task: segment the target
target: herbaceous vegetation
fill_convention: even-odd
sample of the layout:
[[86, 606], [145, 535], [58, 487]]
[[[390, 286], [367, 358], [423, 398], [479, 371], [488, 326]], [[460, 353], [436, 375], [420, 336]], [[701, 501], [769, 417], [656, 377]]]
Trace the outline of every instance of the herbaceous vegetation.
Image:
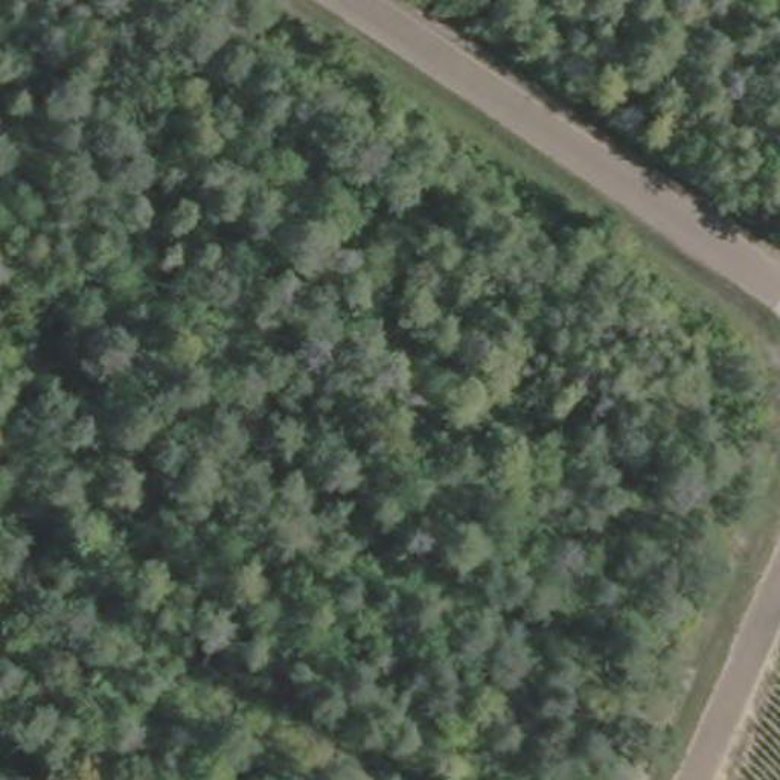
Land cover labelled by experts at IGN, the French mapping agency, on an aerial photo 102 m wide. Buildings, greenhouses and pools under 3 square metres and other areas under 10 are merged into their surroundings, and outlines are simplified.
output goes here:
[[686, 756], [692, 728], [725, 664], [728, 643], [737, 631], [750, 591], [780, 530], [780, 317], [731, 280], [725, 280], [722, 274], [710, 271], [689, 253], [683, 253], [643, 219], [609, 204], [585, 180], [555, 165], [548, 155], [506, 131], [491, 116], [484, 116], [478, 107], [457, 98], [408, 61], [402, 61], [399, 55], [393, 55], [390, 49], [384, 49], [381, 43], [363, 37], [356, 27], [347, 27], [335, 12], [323, 9], [314, 0], [250, 0], [250, 30], [256, 34], [265, 30], [268, 40], [289, 34], [296, 64], [305, 70], [314, 64], [314, 58], [329, 55], [344, 40], [356, 58], [360, 73], [372, 73], [381, 85], [390, 73], [399, 73], [411, 88], [411, 113], [390, 113], [387, 131], [393, 143], [405, 143], [405, 137], [424, 137], [430, 168], [439, 171], [448, 165], [466, 165], [475, 177], [475, 186], [481, 192], [494, 189], [503, 198], [503, 204], [518, 198], [515, 183], [530, 180], [561, 195], [567, 207], [576, 213], [603, 213], [603, 222], [597, 229], [582, 229], [576, 241], [576, 247], [600, 265], [603, 277], [609, 283], [622, 280], [625, 286], [649, 289], [661, 311], [661, 329], [683, 326], [689, 335], [698, 335], [698, 350], [722, 347], [746, 356], [743, 372], [750, 375], [750, 384], [740, 390], [740, 396], [753, 402], [753, 414], [762, 424], [762, 469], [756, 472], [756, 484], [750, 484], [750, 491], [740, 497], [746, 509], [734, 524], [710, 527], [716, 548], [704, 561], [707, 588], [698, 597], [658, 612], [667, 631], [664, 640], [649, 652], [646, 664], [649, 673], [661, 676], [667, 689], [667, 704], [655, 716], [646, 716], [640, 731], [628, 734], [619, 753], [600, 753], [600, 774], [591, 777], [588, 768], [582, 768], [579, 780], [670, 780]]

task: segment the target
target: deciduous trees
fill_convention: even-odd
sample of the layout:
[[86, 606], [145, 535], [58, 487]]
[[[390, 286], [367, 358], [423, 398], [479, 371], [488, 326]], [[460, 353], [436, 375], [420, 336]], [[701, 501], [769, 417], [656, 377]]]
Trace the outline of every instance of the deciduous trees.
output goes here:
[[457, 573], [439, 551], [411, 551], [411, 545], [405, 545], [390, 530], [396, 521], [405, 518], [405, 512], [424, 509], [436, 494], [433, 466], [427, 451], [414, 442], [411, 430], [399, 430], [393, 420], [369, 420], [366, 396], [347, 396], [338, 390], [332, 408], [320, 408], [320, 396], [311, 390], [311, 378], [293, 366], [289, 356], [274, 350], [262, 350], [259, 356], [253, 356], [247, 369], [210, 375], [204, 369], [201, 353], [219, 356], [229, 347], [225, 329], [235, 326], [232, 317], [207, 308], [210, 280], [216, 280], [216, 274], [222, 271], [232, 271], [241, 280], [241, 286], [253, 280], [259, 256], [247, 244], [222, 247], [219, 262], [210, 268], [198, 259], [192, 271], [177, 277], [174, 299], [168, 308], [155, 299], [152, 280], [131, 259], [131, 247], [122, 250], [110, 265], [91, 256], [91, 262], [79, 265], [73, 250], [73, 229], [61, 229], [61, 219], [52, 222], [43, 213], [40, 195], [49, 189], [49, 174], [34, 174], [15, 161], [12, 171], [0, 174], [0, 259], [9, 268], [6, 286], [15, 293], [12, 305], [24, 332], [37, 329], [37, 317], [46, 302], [64, 311], [70, 320], [79, 314], [85, 326], [98, 323], [110, 305], [119, 305], [122, 299], [131, 305], [134, 317], [168, 320], [177, 332], [177, 347], [183, 350], [189, 366], [192, 402], [244, 402], [247, 408], [253, 408], [241, 420], [241, 430], [250, 436], [250, 457], [265, 460], [271, 466], [271, 484], [286, 484], [293, 472], [302, 472], [305, 488], [314, 497], [314, 515], [332, 512], [338, 503], [350, 503], [353, 512], [347, 518], [347, 533], [353, 533], [369, 548], [372, 558], [378, 558], [384, 573], [424, 573], [433, 585], [442, 588], [445, 597], [475, 597], [488, 606], [491, 564], [481, 561], [472, 573]]
[[488, 0], [405, 0], [408, 6], [420, 9], [430, 21], [445, 24], [451, 15], [484, 6]]
[[79, 551], [110, 551], [116, 564], [128, 567], [134, 561], [165, 564], [171, 582], [189, 585], [195, 594], [189, 619], [192, 625], [204, 619], [204, 603], [213, 603], [219, 609], [235, 594], [241, 573], [256, 561], [250, 551], [238, 558], [225, 555], [229, 533], [219, 524], [207, 530], [204, 524], [198, 524], [192, 530], [183, 524], [165, 524], [143, 500], [137, 509], [104, 506], [104, 494], [85, 484], [88, 509], [101, 515], [101, 521], [91, 533], [79, 539]]
[[274, 149], [271, 125], [256, 125], [253, 119], [241, 116], [235, 137], [222, 143], [219, 152], [204, 155], [210, 171], [216, 171], [219, 165], [232, 165], [244, 174], [253, 174], [247, 192], [283, 192], [286, 183], [305, 177], [302, 155]]
[[393, 640], [384, 631], [384, 619], [375, 606], [366, 603], [360, 591], [347, 585], [341, 573], [326, 576], [326, 570], [314, 564], [305, 551], [296, 551], [293, 558], [268, 558], [262, 564], [265, 594], [280, 606], [280, 615], [274, 622], [277, 643], [271, 649], [271, 658], [286, 661], [296, 670], [296, 683], [314, 683], [329, 695], [335, 683], [344, 692], [356, 692], [360, 673], [341, 664], [347, 658], [344, 631], [356, 628], [360, 634], [369, 634], [375, 643], [375, 655], [393, 655]]
[[381, 85], [381, 101], [390, 113], [411, 113], [411, 88], [399, 73], [390, 73]]
[[143, 110], [186, 107], [186, 85], [201, 79], [198, 70], [171, 76], [107, 58], [107, 67], [101, 70], [101, 79], [91, 91], [88, 116], [113, 122], [116, 131], [134, 125], [137, 113]]
[[21, 27], [21, 18], [34, 0], [0, 0], [0, 61], [6, 52], [12, 52], [6, 34]]
[[366, 219], [356, 207], [356, 198], [344, 192], [329, 201], [323, 222], [335, 222], [338, 238], [347, 241], [366, 225]]
[[177, 774], [149, 765], [137, 746], [143, 740], [143, 719], [149, 716], [152, 704], [140, 695], [137, 704], [131, 704], [125, 692], [116, 689], [107, 676], [94, 676], [94, 649], [88, 640], [67, 634], [55, 643], [40, 646], [40, 628], [27, 615], [15, 615], [0, 628], [0, 679], [15, 664], [18, 670], [24, 670], [15, 686], [15, 698], [34, 698], [37, 692], [61, 689], [76, 704], [70, 719], [79, 725], [79, 737], [73, 740], [73, 750], [64, 759], [64, 765], [49, 765], [46, 780], [235, 780], [238, 768], [216, 753], [198, 756], [195, 762], [180, 756]]
[[555, 0], [548, 6], [536, 3], [527, 21], [521, 21], [515, 9], [509, 9], [509, 15], [503, 18], [506, 27], [515, 30], [521, 61], [545, 58], [539, 52], [539, 40], [555, 27], [551, 18], [564, 15], [561, 0]]
[[356, 58], [344, 40], [329, 55], [314, 58], [314, 64], [305, 70], [296, 64], [289, 34], [268, 40], [265, 30], [256, 34], [256, 40], [268, 49], [274, 79], [280, 85], [302, 85], [305, 98], [314, 98], [317, 91], [326, 91], [360, 73]]
[[719, 198], [722, 213], [750, 207], [780, 207], [780, 149], [759, 149], [759, 171], [746, 180], [725, 180]]

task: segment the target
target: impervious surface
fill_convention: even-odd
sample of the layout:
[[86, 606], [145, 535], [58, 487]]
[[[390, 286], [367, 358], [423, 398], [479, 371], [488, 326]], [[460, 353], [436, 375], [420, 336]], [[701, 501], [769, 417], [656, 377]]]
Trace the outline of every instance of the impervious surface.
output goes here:
[[728, 643], [725, 664], [692, 728], [686, 756], [670, 780], [728, 780], [734, 746], [740, 743], [746, 725], [756, 722], [756, 713], [768, 704], [765, 679], [774, 673], [780, 661], [780, 530], [750, 591], [737, 631]]
[[356, 27], [363, 37], [381, 43], [384, 49], [390, 49], [393, 55], [399, 55], [402, 61], [408, 61], [457, 98], [478, 107], [484, 116], [491, 116], [506, 131], [548, 155], [555, 165], [585, 180], [609, 204], [643, 219], [683, 253], [689, 253], [710, 271], [722, 274], [725, 280], [731, 280], [780, 317], [780, 250], [746, 235], [719, 235], [707, 229], [701, 222], [695, 201], [686, 192], [652, 186], [643, 168], [615, 155], [609, 143], [594, 137], [591, 128], [573, 122], [567, 113], [545, 107], [542, 98], [536, 98], [515, 76], [500, 73], [488, 61], [481, 61], [469, 43], [463, 43], [445, 24], [430, 21], [420, 9], [408, 6], [405, 0], [314, 0], [323, 9], [335, 12], [347, 27]]

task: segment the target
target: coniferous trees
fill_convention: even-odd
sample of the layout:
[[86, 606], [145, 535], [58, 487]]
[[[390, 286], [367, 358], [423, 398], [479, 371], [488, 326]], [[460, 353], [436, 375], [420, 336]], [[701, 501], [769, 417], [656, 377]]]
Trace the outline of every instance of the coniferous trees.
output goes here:
[[[152, 280], [155, 299], [168, 308], [174, 299], [177, 277], [192, 271], [198, 259], [210, 268], [219, 262], [222, 247], [247, 244], [259, 256], [253, 280], [241, 286], [241, 280], [232, 271], [222, 271], [216, 274], [216, 280], [210, 280], [207, 308], [232, 317], [235, 326], [225, 329], [229, 347], [219, 356], [201, 353], [204, 369], [210, 375], [247, 369], [253, 356], [259, 356], [262, 350], [274, 350], [289, 356], [293, 366], [311, 378], [311, 390], [320, 396], [320, 408], [332, 408], [338, 390], [347, 396], [366, 396], [369, 420], [393, 420], [399, 430], [411, 430], [414, 442], [427, 451], [433, 466], [436, 494], [424, 509], [405, 512], [405, 518], [396, 521], [390, 530], [405, 545], [411, 545], [411, 551], [439, 551], [457, 573], [472, 573], [481, 561], [491, 564], [488, 606], [475, 597], [445, 597], [442, 588], [433, 585], [424, 573], [384, 573], [378, 558], [372, 558], [369, 548], [353, 533], [347, 533], [347, 518], [353, 512], [350, 503], [338, 503], [332, 512], [314, 515], [314, 497], [305, 488], [302, 472], [293, 472], [286, 484], [271, 484], [271, 466], [265, 460], [250, 457], [250, 436], [241, 430], [241, 420], [253, 408], [247, 408], [244, 402], [192, 402], [189, 366], [183, 350], [177, 347], [177, 332], [168, 320], [134, 317], [131, 305], [122, 299], [119, 305], [110, 305], [98, 323], [85, 326], [79, 314], [70, 320], [64, 311], [46, 302], [37, 317], [37, 329], [24, 332], [12, 305], [15, 293], [6, 286], [9, 268], [0, 259], [0, 628], [15, 615], [27, 615], [40, 628], [40, 646], [55, 643], [67, 634], [88, 640], [94, 649], [94, 676], [107, 676], [116, 689], [125, 692], [131, 704], [137, 704], [140, 695], [152, 704], [149, 716], [143, 719], [143, 740], [137, 746], [149, 765], [177, 774], [180, 756], [195, 762], [198, 756], [216, 753], [238, 768], [235, 780], [579, 780], [582, 768], [588, 768], [591, 777], [600, 774], [600, 753], [619, 753], [628, 734], [640, 731], [646, 716], [655, 716], [667, 704], [667, 689], [661, 676], [649, 673], [646, 664], [649, 652], [664, 640], [667, 631], [658, 612], [698, 597], [707, 588], [704, 561], [716, 548], [710, 527], [734, 524], [746, 509], [740, 497], [750, 491], [750, 484], [756, 484], [756, 472], [762, 469], [762, 424], [753, 414], [753, 402], [740, 396], [740, 390], [750, 384], [750, 375], [743, 372], [746, 356], [722, 347], [698, 350], [698, 335], [689, 335], [683, 326], [661, 329], [661, 311], [649, 289], [625, 286], [622, 280], [609, 283], [603, 277], [600, 265], [576, 247], [576, 241], [582, 229], [597, 229], [603, 222], [603, 213], [576, 213], [567, 207], [561, 195], [530, 180], [515, 183], [518, 198], [503, 204], [503, 198], [494, 189], [481, 192], [475, 186], [475, 177], [466, 165], [448, 165], [439, 171], [430, 168], [424, 137], [405, 137], [405, 143], [393, 143], [387, 131], [390, 113], [381, 101], [381, 85], [372, 73], [360, 73], [326, 91], [317, 91], [314, 98], [305, 98], [302, 85], [280, 85], [274, 79], [268, 49], [256, 40], [256, 34], [250, 30], [250, 0], [34, 0], [21, 18], [21, 27], [6, 34], [12, 52], [6, 52], [0, 61], [0, 174], [12, 171], [15, 161], [34, 174], [49, 174], [49, 189], [40, 195], [43, 213], [52, 222], [61, 219], [61, 229], [73, 229], [73, 250], [79, 265], [91, 262], [91, 256], [110, 265], [122, 250], [131, 247], [131, 259]], [[107, 67], [107, 58], [171, 76], [198, 70], [201, 79], [186, 85], [186, 107], [143, 110], [137, 113], [134, 125], [116, 131], [113, 122], [88, 116], [91, 91], [101, 79], [101, 70]], [[253, 174], [244, 174], [232, 165], [219, 165], [216, 171], [210, 171], [204, 155], [219, 152], [222, 143], [235, 137], [241, 116], [253, 119], [256, 125], [271, 125], [274, 149], [302, 155], [305, 177], [286, 183], [283, 192], [247, 192]], [[366, 225], [347, 241], [338, 238], [335, 222], [323, 222], [329, 201], [344, 192], [356, 198], [356, 207], [366, 219]], [[79, 551], [79, 539], [91, 533], [101, 521], [101, 515], [88, 509], [85, 484], [104, 494], [104, 506], [137, 509], [143, 500], [165, 524], [183, 524], [192, 530], [198, 524], [204, 524], [207, 530], [219, 524], [229, 533], [225, 555], [238, 558], [250, 551], [256, 561], [241, 573], [235, 594], [219, 609], [213, 603], [204, 603], [204, 619], [192, 625], [189, 619], [195, 594], [189, 585], [171, 582], [165, 564], [134, 561], [128, 567], [116, 564], [110, 551]], [[375, 643], [369, 634], [360, 634], [356, 628], [344, 631], [347, 658], [341, 664], [360, 673], [356, 692], [344, 692], [335, 683], [329, 695], [314, 683], [296, 683], [296, 670], [286, 661], [271, 658], [271, 649], [277, 643], [274, 622], [280, 615], [280, 606], [265, 594], [262, 564], [268, 558], [293, 558], [296, 551], [305, 551], [314, 564], [326, 570], [326, 576], [341, 573], [347, 585], [360, 591], [366, 603], [375, 606], [384, 619], [384, 631], [393, 640], [393, 655], [375, 655]]]
[[0, 780], [46, 780], [49, 765], [64, 765], [64, 759], [73, 750], [73, 740], [79, 737], [79, 725], [70, 719], [76, 704], [61, 689], [37, 692], [34, 698], [15, 698], [15, 686], [24, 670], [18, 670], [15, 664], [0, 679]]
[[561, 0], [564, 15], [551, 18], [555, 27], [539, 40], [539, 52], [545, 58], [521, 61], [515, 30], [506, 27], [503, 18], [509, 15], [509, 9], [515, 9], [521, 21], [527, 21], [536, 3], [548, 6], [555, 0], [488, 0], [484, 6], [451, 15], [445, 24], [463, 43], [469, 43], [481, 61], [488, 61], [500, 73], [515, 76], [536, 98], [542, 98], [545, 107], [567, 113], [573, 122], [591, 128], [594, 137], [609, 143], [615, 155], [643, 168], [652, 186], [686, 192], [695, 201], [701, 222], [707, 229], [719, 235], [746, 235], [780, 250], [780, 207], [750, 207], [722, 213], [719, 198], [725, 180], [746, 180], [759, 171], [759, 149], [780, 149], [780, 0]]

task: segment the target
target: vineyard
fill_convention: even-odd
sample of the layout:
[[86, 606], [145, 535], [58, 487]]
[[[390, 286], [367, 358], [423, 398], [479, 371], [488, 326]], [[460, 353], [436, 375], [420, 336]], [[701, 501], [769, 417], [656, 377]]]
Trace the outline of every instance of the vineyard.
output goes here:
[[756, 722], [746, 725], [740, 743], [734, 746], [728, 780], [780, 780], [780, 661], [774, 673], [765, 679], [768, 704], [756, 713]]

